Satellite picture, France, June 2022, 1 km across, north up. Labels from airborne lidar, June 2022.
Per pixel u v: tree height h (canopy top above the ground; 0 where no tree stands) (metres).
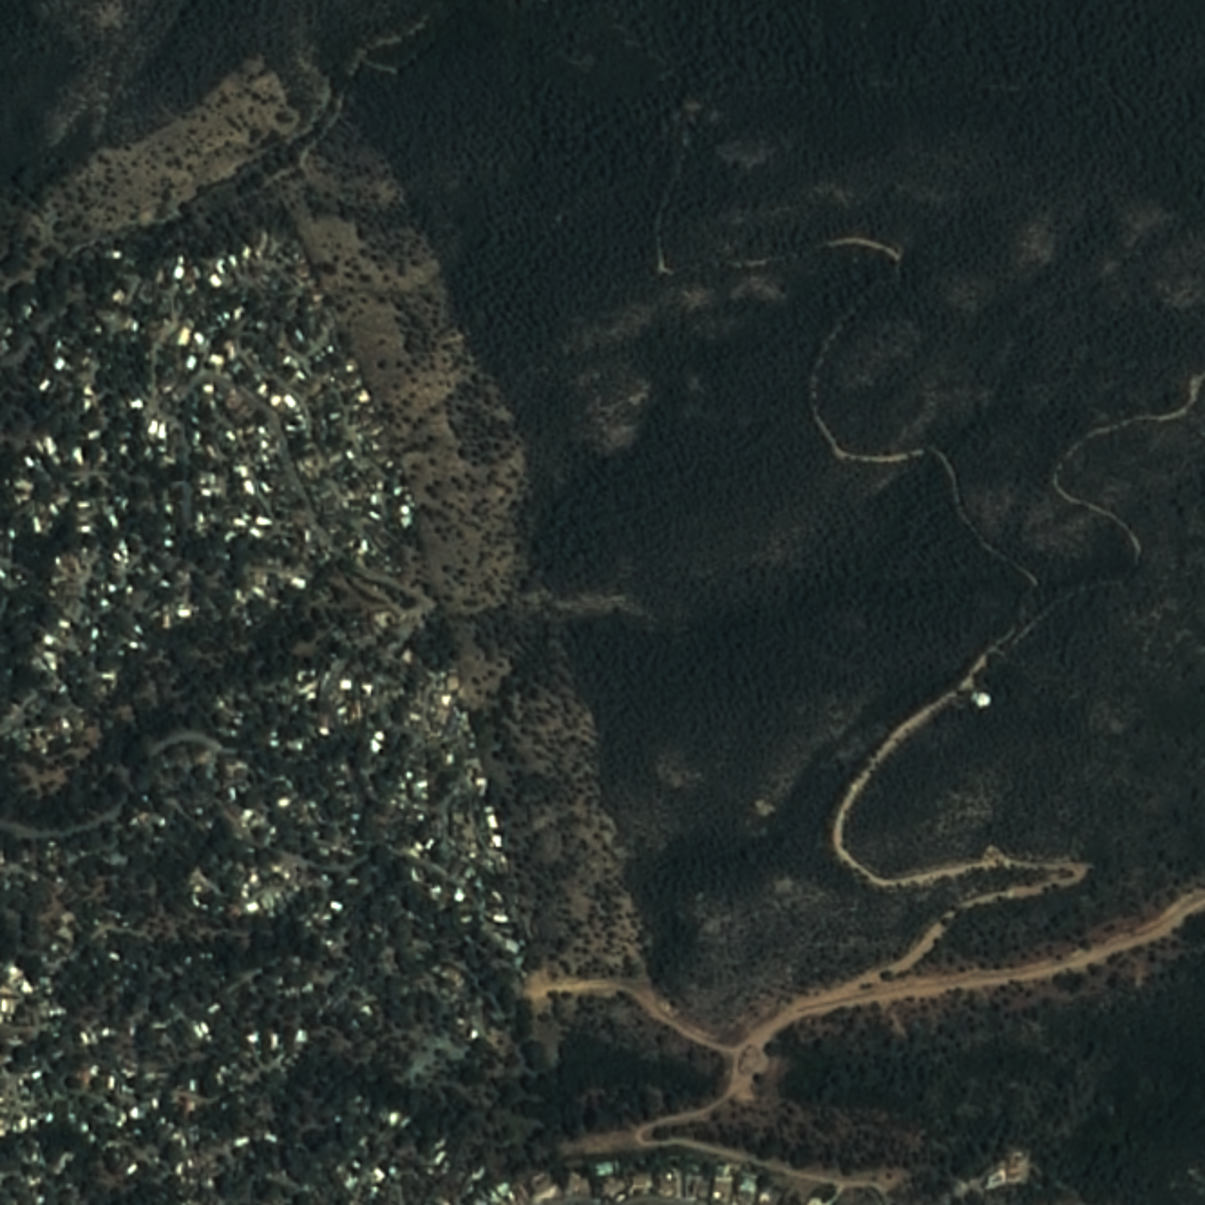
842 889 7
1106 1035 10
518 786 11
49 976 6
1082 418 7
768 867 6
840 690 7
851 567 14
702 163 11
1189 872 12
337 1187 17
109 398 10
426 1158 16
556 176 12
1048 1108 10
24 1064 13
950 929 13
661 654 13
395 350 0
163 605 17
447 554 0
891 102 14
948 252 9
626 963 7
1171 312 8
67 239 10
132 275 10
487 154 10
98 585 12
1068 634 8
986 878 9
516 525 9
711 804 6
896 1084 15
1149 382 6
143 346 10
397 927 16
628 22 6
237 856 15
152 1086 8
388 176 9
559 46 8
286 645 12
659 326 7
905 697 8
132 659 19
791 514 7
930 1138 9
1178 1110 10
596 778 7
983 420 7
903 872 6
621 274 8
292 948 14
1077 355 10
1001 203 8
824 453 7
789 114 9
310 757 13
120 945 13
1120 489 0
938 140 7
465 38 15
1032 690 7
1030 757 6
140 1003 22
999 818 6
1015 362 8
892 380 10
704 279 10
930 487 13
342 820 16
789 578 12
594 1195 6
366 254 7
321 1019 6
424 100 11
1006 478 8
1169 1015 7
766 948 8
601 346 7
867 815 8
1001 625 7
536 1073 27
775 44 14
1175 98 14
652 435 12
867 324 10
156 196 11
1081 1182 17
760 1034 0
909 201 8
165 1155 8
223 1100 9
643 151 11
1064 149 8
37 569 10
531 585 14
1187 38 10
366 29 7
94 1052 16
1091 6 15
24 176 19
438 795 6
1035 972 0
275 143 10
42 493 16
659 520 9
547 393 9
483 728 8
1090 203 8
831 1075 13
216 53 13
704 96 15
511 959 16
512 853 7
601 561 7
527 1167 8
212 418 6
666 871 13
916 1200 7
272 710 19
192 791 18
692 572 9
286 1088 8
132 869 18
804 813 6
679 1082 7
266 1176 20
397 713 7
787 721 7
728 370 11
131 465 12
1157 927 0
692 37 13
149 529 19
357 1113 14
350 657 16
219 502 15
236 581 20
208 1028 13
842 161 9
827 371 8
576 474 13
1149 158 12
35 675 11
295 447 10
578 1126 13
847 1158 7
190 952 12
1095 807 9
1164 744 7
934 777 7
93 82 7
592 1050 10
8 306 12
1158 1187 8
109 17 0
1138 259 8
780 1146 8
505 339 11
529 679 15
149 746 18
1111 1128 13
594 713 8
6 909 18
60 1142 11
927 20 9
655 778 7
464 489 9
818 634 10
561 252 10
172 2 10
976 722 7
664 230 7
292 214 10
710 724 8
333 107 6
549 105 12
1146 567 9
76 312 10
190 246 8
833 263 10
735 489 7
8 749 8
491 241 13
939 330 8
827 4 7
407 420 7
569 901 7
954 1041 14
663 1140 7
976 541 10
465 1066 11
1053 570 8
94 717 9
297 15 10
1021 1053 7
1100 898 19
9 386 10
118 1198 10
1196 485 10
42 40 13
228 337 10
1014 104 11
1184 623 7
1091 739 6
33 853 16
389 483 8
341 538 8
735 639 14
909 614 10
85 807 10
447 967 8
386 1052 9
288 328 8
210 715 15
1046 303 8
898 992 0
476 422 6
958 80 13
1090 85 11
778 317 8
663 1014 0
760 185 5
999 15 15
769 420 8
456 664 11
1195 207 12
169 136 0
